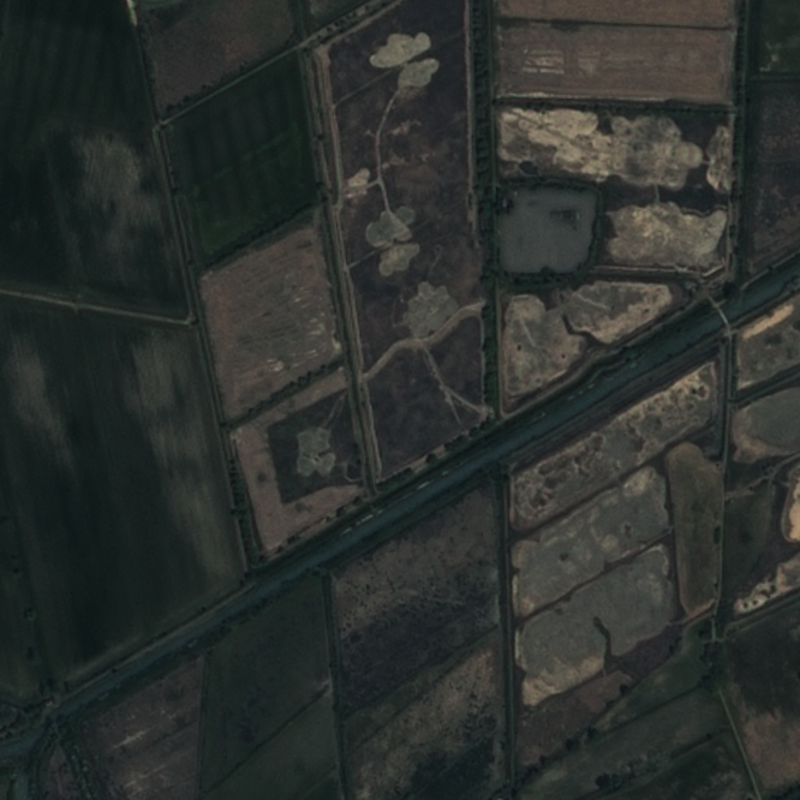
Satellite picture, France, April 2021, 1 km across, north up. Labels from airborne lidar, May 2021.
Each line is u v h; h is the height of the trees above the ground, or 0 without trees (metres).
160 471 0
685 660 0
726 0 0
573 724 0
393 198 0
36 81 0
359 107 0
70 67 0
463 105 0
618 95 0
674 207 0
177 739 0
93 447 0
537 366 0
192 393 0
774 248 0
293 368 0
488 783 0
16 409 0
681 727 0
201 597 0
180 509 0
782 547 0
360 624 0
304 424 0
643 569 0
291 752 0
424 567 0
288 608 0
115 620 0
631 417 0
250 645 0
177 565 0
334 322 0
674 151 0
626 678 0
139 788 0
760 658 0
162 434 0
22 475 0
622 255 0
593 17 0
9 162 0
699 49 0
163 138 0
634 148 0
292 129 0
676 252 0
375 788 0
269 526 0
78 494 0
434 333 0
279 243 0
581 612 0
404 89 0
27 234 0
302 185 0
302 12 0
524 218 0
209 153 0
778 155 0
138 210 0
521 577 0
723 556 0
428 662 0
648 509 0
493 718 0
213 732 0
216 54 0
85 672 0
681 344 0
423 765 0
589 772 0
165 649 0
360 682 0
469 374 0
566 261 0
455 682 0
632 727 0
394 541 0
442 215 0
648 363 0
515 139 0
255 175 0
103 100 0
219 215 0
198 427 0
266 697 0
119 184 0
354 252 0
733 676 0
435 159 0
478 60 7
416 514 0
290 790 0
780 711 0
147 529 0
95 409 0
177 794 0
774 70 0
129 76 0
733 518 0
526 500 0
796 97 0
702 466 0
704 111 0
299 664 0
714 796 0
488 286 6
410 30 0
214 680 0
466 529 0
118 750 0
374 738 0
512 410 0
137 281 0
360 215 0
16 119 0
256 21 0
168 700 0
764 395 0
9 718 18
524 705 0
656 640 0
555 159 0
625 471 0
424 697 0
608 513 0
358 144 0
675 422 0
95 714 0
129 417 0
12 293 0
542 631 0
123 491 0
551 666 0
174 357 0
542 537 0
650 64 0
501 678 0
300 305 0
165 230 0
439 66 0
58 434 0
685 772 0
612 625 0
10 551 0
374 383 0
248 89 0
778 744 0
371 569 0
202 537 0
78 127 0
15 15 0
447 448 8
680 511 0
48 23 0
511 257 0
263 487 0
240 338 0
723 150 0
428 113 0
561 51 0
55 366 0
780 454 0
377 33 0
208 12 0
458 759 0
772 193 0
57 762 0
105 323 0
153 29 0
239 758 0
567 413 0
